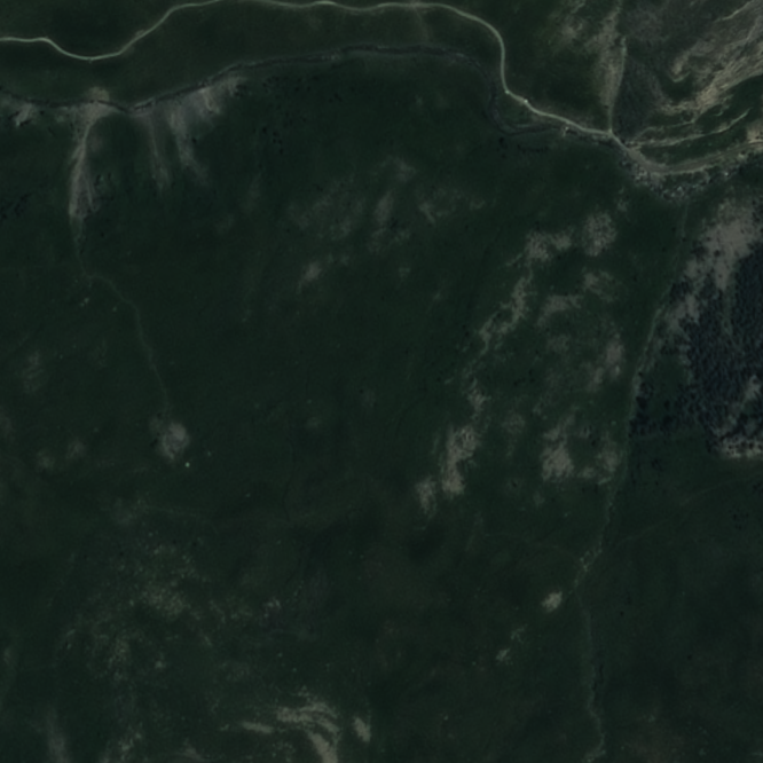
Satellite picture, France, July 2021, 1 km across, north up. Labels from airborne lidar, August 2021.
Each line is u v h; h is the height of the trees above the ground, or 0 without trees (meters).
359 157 0
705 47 0
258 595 0
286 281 0
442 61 0
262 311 0
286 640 0
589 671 0
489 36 0
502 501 0
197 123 0
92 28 0
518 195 0
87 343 0
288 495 0
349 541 0
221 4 0
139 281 0
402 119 0
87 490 0
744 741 0
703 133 19
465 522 0
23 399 0
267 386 0
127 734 0
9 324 0
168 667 0
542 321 0
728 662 0
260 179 0
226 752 0
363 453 0
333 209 0
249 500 0
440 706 0
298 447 0
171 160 0
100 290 0
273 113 0
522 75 0
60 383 0
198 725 0
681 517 0
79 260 0
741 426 6
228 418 0
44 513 0
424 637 0
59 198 0
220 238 0
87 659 0
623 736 0
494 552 0
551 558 0
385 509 0
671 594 0
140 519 0
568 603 0
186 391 0
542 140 0
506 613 0
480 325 0
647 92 0
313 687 0
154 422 0
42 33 0
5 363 0
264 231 0
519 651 0
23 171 0
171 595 0
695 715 0
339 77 0
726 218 0
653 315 0
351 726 0
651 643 0
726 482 0
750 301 8
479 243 0
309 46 0
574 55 0
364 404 0
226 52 0
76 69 0
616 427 0
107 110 0
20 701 0
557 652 0
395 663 0
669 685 0
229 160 0
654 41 0
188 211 0
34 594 0
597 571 0
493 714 0
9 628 0
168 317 0
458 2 0
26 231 0
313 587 0
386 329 0
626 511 0
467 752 0
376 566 0
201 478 0
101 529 0
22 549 0
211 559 0
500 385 0
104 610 0
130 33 0
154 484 0
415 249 0
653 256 0
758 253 9
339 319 0
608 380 0
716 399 8
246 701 0
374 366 0
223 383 0
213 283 0
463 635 0
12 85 0
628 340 0
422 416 0
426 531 0
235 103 0
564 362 0
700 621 0
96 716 0
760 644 0
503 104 0
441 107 0
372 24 0
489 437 0
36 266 0
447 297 0
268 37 0
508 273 0
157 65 0
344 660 0
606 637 0
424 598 0
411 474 0
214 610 0
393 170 0
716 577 0
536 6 0
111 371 0
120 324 0
